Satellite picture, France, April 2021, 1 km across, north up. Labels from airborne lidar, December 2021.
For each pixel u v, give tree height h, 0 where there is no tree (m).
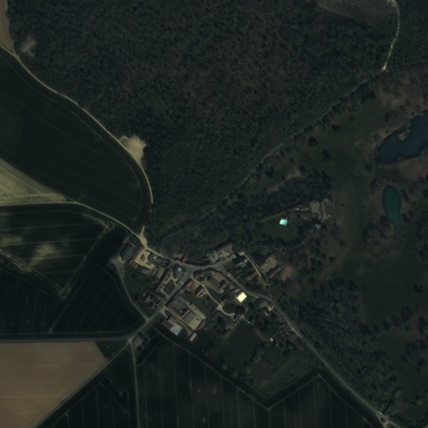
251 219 25
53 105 0
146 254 0
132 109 9
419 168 0
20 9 15
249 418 0
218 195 16
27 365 0
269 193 0
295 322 25
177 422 0
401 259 0
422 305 0
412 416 0
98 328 0
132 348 0
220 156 12
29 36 17
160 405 0
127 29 19
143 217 0
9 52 0
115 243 0
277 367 0
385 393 21
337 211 0
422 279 0
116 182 0
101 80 17
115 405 0
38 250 0
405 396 0
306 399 0
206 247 19
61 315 0
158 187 8
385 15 29
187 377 0
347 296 26
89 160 0
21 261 0
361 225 0
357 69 25
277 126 16
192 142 13
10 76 0
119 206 0
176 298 0
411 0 22
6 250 0
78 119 0
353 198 0
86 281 0
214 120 16
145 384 0
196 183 15
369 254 0
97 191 0
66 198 0
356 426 0
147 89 16
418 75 31
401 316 0
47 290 0
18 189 0
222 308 0
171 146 8
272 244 22
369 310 0
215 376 0
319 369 0
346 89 16
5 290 0
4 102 0
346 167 0
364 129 0
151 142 9
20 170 0
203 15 11
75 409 0
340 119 0
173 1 15
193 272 0
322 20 9
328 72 35
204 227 28
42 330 0
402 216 0
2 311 0
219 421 0
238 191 17
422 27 18
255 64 22
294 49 10
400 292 0
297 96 25
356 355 30
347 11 21
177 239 29
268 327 8
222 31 21
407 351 0
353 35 21
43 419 0
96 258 0
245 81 24
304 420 0
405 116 24
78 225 0
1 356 0
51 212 0
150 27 20
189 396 0
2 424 0
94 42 12
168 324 0
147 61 14
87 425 0
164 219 17
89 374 0
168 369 0
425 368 26
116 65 18
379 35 17
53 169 0
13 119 0
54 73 18
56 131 0
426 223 26
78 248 0
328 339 23
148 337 0
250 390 0
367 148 0
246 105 25
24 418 0
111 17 16
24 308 0
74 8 9
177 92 20
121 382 0
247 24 22
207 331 0
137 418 0
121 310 0
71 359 0
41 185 0
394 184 11
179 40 20
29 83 0
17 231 0
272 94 25
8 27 0
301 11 28
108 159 0
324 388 0
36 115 0
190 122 11
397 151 0
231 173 15
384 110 0
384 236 23
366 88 15
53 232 0
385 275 0
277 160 19
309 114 12
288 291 23
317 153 0
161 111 0
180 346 0
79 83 15
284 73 27
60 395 0
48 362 0
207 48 11
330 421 0
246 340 0
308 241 22
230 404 0
